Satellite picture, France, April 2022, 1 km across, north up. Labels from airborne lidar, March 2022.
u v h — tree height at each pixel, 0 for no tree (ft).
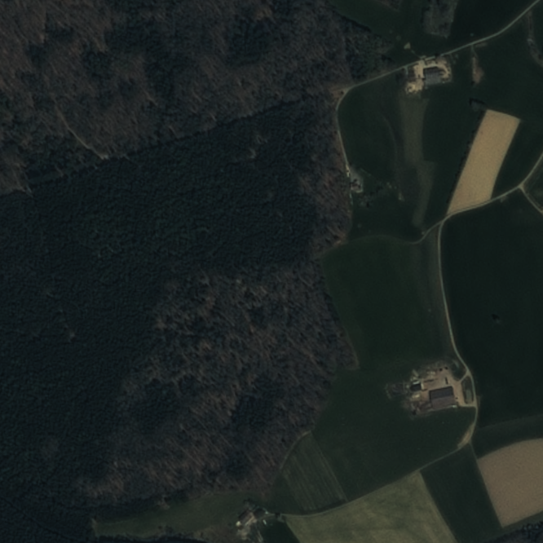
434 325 0
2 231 83
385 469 0
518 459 0
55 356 62
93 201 44
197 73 83
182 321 84
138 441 98
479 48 0
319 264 68
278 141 65
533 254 0
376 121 0
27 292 83
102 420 75
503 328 0
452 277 0
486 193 0
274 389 85
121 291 71
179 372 93
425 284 0
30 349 69
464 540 0
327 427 0
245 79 73
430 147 0
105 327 75
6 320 76
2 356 75
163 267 78
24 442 74
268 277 81
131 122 87
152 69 85
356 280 0
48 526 63
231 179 62
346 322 0
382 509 0
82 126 81
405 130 0
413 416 0
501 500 0
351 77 78
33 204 70
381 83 0
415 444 0
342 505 0
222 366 97
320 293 84
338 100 90
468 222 0
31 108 77
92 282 54
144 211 66
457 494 0
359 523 0
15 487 77
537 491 0
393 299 0
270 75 84
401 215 0
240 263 56
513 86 0
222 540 0
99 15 82
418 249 0
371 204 21
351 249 0
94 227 52
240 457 90
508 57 0
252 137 58
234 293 93
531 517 0
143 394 84
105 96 87
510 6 0
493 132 0
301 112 87
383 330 0
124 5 109
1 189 75
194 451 94
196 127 86
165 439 96
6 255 76
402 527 0
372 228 0
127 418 79
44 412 72
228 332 91
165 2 86
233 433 96
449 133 0
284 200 65
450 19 84
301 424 99
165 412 84
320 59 90
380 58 51
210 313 19
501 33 0
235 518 0
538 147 0
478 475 0
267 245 49
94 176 68
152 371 83
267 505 0
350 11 0
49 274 78
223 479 104
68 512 74
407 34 0
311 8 85
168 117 76
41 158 38
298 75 79
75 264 52
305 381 109
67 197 70
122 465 90
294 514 0
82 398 75
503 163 0
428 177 0
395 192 0
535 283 0
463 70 0
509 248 0
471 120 0
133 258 84
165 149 86
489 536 0
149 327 78
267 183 66
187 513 0
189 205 46
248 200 79
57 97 91
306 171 67
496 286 0
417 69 0
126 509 60
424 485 0
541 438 0
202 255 68
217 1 93
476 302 0
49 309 81
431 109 0
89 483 74
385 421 0
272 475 93
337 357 94
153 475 87
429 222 0
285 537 0
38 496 62
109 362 78
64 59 82
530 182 0
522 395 0
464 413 0
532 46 20
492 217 0
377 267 0
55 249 63
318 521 0
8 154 95
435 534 0
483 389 0
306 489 0
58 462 66
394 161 0
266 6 79
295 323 97
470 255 0
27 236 69
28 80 83
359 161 0
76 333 55
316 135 86
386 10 0
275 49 71
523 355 0
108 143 68
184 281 64
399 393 0
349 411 0
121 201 77
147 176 72
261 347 103
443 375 0
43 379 74
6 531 98
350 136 0
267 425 80
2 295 78
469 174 0
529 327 0
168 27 86
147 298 81
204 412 90
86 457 51
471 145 32
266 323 89
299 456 0
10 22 85
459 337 0
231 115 82
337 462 0
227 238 77
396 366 0
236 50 89
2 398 76
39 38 87
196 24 87
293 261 71
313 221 72
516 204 0
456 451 0
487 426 0
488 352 0
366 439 0
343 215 98
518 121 0
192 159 52
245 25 81
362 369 0
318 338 105
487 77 0
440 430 0
